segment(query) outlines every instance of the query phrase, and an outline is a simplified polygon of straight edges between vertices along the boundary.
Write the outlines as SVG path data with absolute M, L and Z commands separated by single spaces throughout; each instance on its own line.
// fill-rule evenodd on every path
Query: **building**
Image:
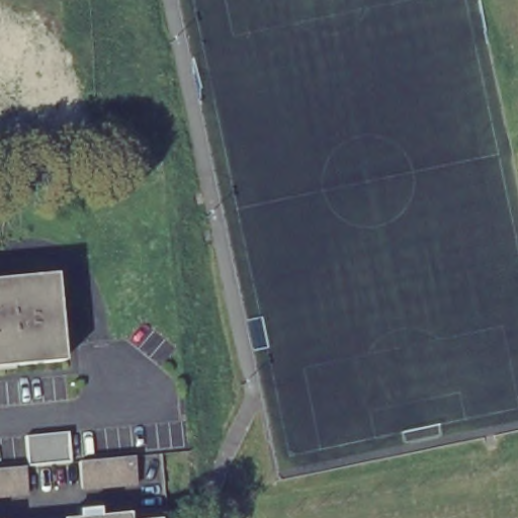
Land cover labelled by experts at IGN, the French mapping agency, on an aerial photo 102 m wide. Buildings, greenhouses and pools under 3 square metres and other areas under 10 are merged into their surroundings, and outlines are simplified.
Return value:
M 85 492 L 97 492 L 107 488 L 136 488 L 138 459 L 134 455 L 123 455 L 79 461 L 81 488 Z
M 107 512 L 105 506 L 87 506 L 81 510 L 81 514 L 67 518 L 140 518 L 134 510 Z
M 26 435 L 26 463 L 14 467 L 0 467 L 0 498 L 26 496 L 30 467 L 71 465 L 73 439 L 69 431 Z
M 59 271 L 0 275 L 0 370 L 2 370 L 32 364 L 69 362 L 71 340 L 65 297 L 65 275 L 63 271 Z

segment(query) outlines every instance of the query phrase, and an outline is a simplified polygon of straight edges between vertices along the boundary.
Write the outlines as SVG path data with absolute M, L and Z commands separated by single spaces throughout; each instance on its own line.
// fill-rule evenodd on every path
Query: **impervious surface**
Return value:
M 59 271 L 63 271 L 65 275 L 65 297 L 71 340 L 69 362 L 67 368 L 55 372 L 2 376 L 2 370 L 0 370 L 0 467 L 14 467 L 26 463 L 26 435 L 69 431 L 73 439 L 71 465 L 30 467 L 26 496 L 0 498 L 0 518 L 67 518 L 81 514 L 81 510 L 87 506 L 105 506 L 107 512 L 134 510 L 140 518 L 164 518 L 170 512 L 176 512 L 178 506 L 174 502 L 172 492 L 166 492 L 166 473 L 170 471 L 168 455 L 184 453 L 190 449 L 190 445 L 186 437 L 186 407 L 176 395 L 172 378 L 162 370 L 162 364 L 172 356 L 172 344 L 148 324 L 142 324 L 140 332 L 125 340 L 117 340 L 109 334 L 105 304 L 89 271 L 85 245 L 18 241 L 12 243 L 8 249 L 0 251 L 0 262 L 64 261 L 66 265 Z M 138 459 L 136 488 L 107 488 L 97 492 L 85 492 L 81 488 L 79 461 L 123 455 L 134 455 Z
M 221 445 L 217 465 L 206 471 L 202 485 L 202 500 L 210 508 L 214 518 L 233 518 L 231 512 L 224 510 L 224 488 L 233 460 L 241 457 L 237 453 L 237 447 L 245 437 L 245 431 L 253 415 L 263 415 L 275 473 L 279 471 L 279 455 L 273 439 L 265 391 L 261 384 L 261 372 L 257 366 L 255 346 L 251 340 L 249 316 L 243 301 L 241 279 L 235 263 L 229 223 L 223 206 L 219 176 L 204 121 L 202 79 L 198 73 L 196 59 L 190 51 L 190 38 L 180 0 L 162 0 L 168 22 L 168 36 L 172 38 L 180 89 L 186 103 L 188 127 L 194 144 L 194 158 L 200 182 L 196 202 L 202 204 L 208 212 L 210 229 L 206 231 L 206 241 L 210 241 L 217 249 L 231 328 L 237 344 L 241 374 L 245 380 L 245 401 L 227 439 Z

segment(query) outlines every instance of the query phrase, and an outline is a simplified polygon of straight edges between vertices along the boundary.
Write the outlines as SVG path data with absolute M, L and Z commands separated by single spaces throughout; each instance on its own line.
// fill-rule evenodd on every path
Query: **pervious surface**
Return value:
M 77 101 L 81 97 L 81 91 L 79 79 L 73 71 L 73 55 L 61 47 L 57 36 L 51 36 L 47 32 L 45 22 L 40 26 L 28 28 L 18 26 L 10 20 L 6 26 L 0 26 L 0 93 L 12 91 L 14 85 L 20 85 L 22 107 L 32 109 L 38 105 L 59 103 L 61 99 Z

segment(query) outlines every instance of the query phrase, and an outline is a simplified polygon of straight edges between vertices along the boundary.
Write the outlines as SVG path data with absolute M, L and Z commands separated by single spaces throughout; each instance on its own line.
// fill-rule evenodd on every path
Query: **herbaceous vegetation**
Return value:
M 206 231 L 210 229 L 208 212 L 202 204 L 196 202 L 200 182 L 194 158 L 194 144 L 188 127 L 186 103 L 180 89 L 172 38 L 168 36 L 168 22 L 162 0 L 0 0 L 0 26 L 6 26 L 10 20 L 18 26 L 28 28 L 40 26 L 45 22 L 47 32 L 51 36 L 57 36 L 61 47 L 73 55 L 73 71 L 79 79 L 81 91 L 81 97 L 77 101 L 61 99 L 59 103 L 38 105 L 32 109 L 22 107 L 20 85 L 14 85 L 12 91 L 0 93 L 0 130 L 16 127 L 18 134 L 30 130 L 40 130 L 49 134 L 51 130 L 61 130 L 67 123 L 73 123 L 77 127 L 91 127 L 103 109 L 111 109 L 111 121 L 127 134 L 140 138 L 150 150 L 150 158 L 146 160 L 148 166 L 144 168 L 146 176 L 140 184 L 140 194 L 136 200 L 123 202 L 117 210 L 113 210 L 111 206 L 87 206 L 83 212 L 77 210 L 75 217 L 69 217 L 69 221 L 61 221 L 57 214 L 51 221 L 40 219 L 36 214 L 18 214 L 10 225 L 18 241 L 85 245 L 89 271 L 105 304 L 109 334 L 117 340 L 125 340 L 140 332 L 142 324 L 148 324 L 172 344 L 172 356 L 162 364 L 162 370 L 172 378 L 176 395 L 186 407 L 186 437 L 190 445 L 190 449 L 184 453 L 168 455 L 170 471 L 166 473 L 166 492 L 172 492 L 174 502 L 178 506 L 188 496 L 202 500 L 202 485 L 206 471 L 217 465 L 221 445 L 227 439 L 245 401 L 245 380 L 241 374 L 237 344 L 231 328 L 217 249 L 210 241 L 206 241 Z
M 0 275 L 59 271 L 66 265 L 64 261 L 0 262 Z
M 273 439 L 279 455 L 279 471 L 275 473 L 263 415 L 253 415 L 245 431 L 245 437 L 237 447 L 237 453 L 241 457 L 233 460 L 224 488 L 224 510 L 231 512 L 233 518 L 518 518 L 518 0 L 180 0 L 190 38 L 190 51 L 196 59 L 198 73 L 202 79 L 204 121 L 219 176 L 223 206 L 229 223 L 235 263 L 241 279 L 243 301 L 249 316 L 251 340 L 255 346 L 257 366 L 261 372 L 261 384 L 265 391 Z

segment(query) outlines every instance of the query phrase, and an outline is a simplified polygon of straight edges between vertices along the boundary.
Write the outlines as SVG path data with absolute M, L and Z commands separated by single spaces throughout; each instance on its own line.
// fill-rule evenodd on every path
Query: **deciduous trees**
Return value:
M 2 376 L 55 372 L 67 368 L 69 362 L 32 364 L 2 370 Z
M 12 243 L 18 241 L 10 225 L 18 214 L 36 214 L 40 219 L 51 221 L 57 214 L 61 221 L 69 221 L 69 217 L 75 217 L 77 210 L 83 212 L 87 206 L 111 206 L 113 210 L 117 210 L 123 202 L 136 200 L 140 194 L 140 184 L 146 176 L 144 168 L 148 166 L 146 160 L 150 158 L 150 150 L 140 138 L 127 134 L 111 121 L 111 109 L 103 109 L 91 127 L 77 127 L 73 123 L 67 123 L 61 130 L 51 130 L 49 134 L 40 130 L 30 130 L 18 134 L 16 127 L 0 130 L 0 251 L 8 249 Z
M 188 496 L 178 506 L 176 512 L 170 512 L 164 518 L 214 518 L 210 508 L 202 500 Z

